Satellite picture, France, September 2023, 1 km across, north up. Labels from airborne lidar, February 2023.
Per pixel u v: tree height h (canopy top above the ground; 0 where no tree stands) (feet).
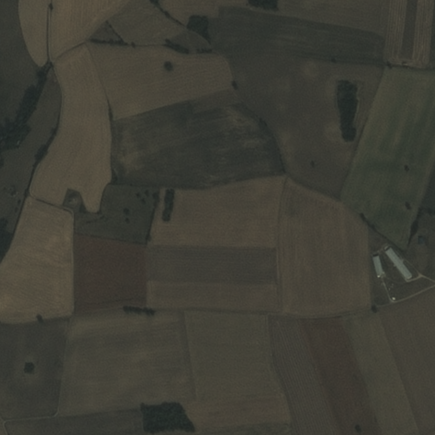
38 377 0
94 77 0
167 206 24
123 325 0
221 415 0
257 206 0
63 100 0
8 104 0
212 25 0
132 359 0
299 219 0
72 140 0
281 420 0
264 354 0
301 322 0
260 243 0
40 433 0
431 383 0
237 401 0
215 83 0
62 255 0
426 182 0
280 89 0
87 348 0
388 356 0
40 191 0
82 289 0
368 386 0
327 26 0
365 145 0
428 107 0
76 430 0
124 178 0
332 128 0
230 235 0
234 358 0
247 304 0
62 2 0
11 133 48
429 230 0
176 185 0
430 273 0
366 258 0
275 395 0
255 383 0
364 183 0
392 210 0
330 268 0
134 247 0
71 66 0
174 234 0
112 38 0
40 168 0
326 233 0
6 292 0
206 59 0
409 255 0
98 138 0
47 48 0
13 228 0
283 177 0
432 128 0
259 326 0
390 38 0
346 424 0
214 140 0
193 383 0
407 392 0
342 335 0
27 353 0
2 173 0
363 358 0
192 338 0
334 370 0
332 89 0
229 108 0
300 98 0
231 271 0
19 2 0
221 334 0
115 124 0
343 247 0
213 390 0
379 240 0
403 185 0
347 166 0
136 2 0
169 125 0
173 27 0
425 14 0
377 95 0
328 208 0
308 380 0
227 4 0
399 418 0
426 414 0
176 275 0
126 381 0
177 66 0
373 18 0
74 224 0
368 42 0
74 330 0
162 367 0
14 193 0
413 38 0
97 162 0
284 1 0
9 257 0
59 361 0
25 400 0
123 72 0
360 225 0
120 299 0
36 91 35
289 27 0
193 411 0
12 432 0
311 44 0
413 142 0
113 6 0
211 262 0
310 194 0
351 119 30
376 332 0
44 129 0
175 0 0
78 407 0
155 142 0
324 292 0
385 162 0
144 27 0
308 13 0
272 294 0
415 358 0
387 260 0
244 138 0
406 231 0
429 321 0
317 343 0
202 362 0
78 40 0
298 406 0
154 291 0
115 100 0
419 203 0
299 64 0
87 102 0
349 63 0
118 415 0
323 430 0
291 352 0
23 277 0
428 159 0
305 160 0
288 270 0
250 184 0
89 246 0
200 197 0
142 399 0
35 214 0
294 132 0
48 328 0
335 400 0
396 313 0
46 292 0
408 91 0
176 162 0
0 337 0
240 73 0
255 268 0
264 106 0
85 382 0
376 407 0
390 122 0
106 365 0
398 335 0
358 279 0
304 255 0
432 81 0
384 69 0
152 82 0
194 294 0
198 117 0
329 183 0
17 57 0
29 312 0
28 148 0
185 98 0
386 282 0
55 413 0
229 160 0
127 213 34
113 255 0
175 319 0
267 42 0
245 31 0
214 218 0
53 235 0
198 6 0
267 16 0
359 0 0
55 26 0
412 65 0
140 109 0
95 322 0
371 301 0
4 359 0
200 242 0
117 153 0
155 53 0
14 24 0
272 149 0
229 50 0
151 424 20
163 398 0
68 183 0
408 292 0
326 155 0
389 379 0
